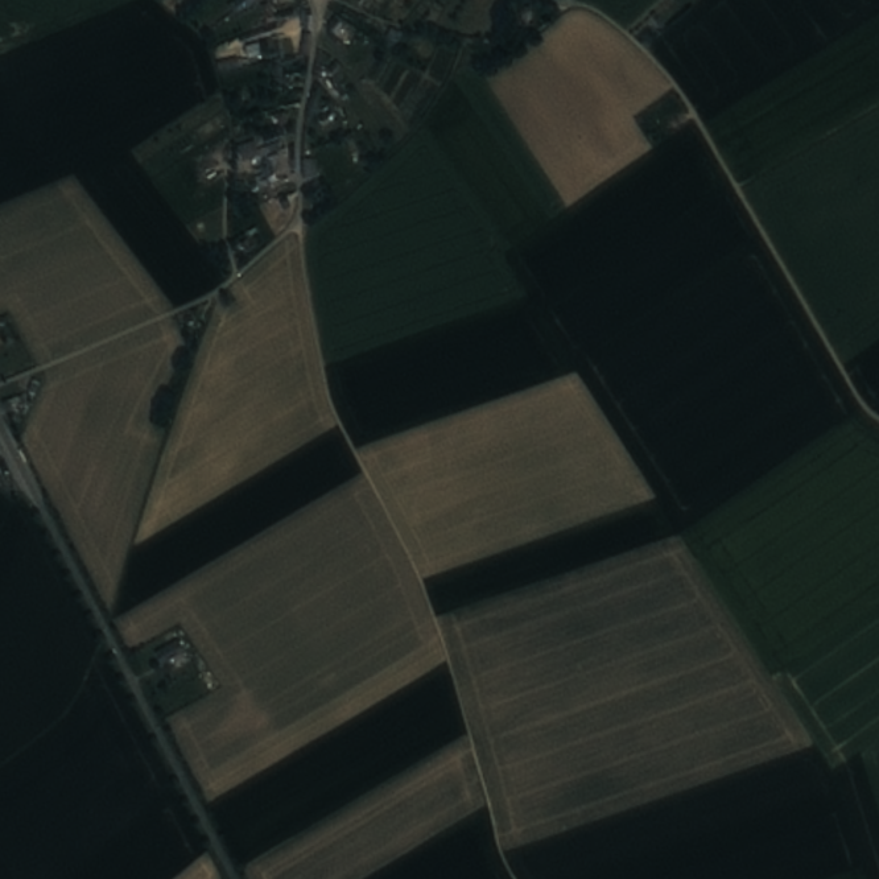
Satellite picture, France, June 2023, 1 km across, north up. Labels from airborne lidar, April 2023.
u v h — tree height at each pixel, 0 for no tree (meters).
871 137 0
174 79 0
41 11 0
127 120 0
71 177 0
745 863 0
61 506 0
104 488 0
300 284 0
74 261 0
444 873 0
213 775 0
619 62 0
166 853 0
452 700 0
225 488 0
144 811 0
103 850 0
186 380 0
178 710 0
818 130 0
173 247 0
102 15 0
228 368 0
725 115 0
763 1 0
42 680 0
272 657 0
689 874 0
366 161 11
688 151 0
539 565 0
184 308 0
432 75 0
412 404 0
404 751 0
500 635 0
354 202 0
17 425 11
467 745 0
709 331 0
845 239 0
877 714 0
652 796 0
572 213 0
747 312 0
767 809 0
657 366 0
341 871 0
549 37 0
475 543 0
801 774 0
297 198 0
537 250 0
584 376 0
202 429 0
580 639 0
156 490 0
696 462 0
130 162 0
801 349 0
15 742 0
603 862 0
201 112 0
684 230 0
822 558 0
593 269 0
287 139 0
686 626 0
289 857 0
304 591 0
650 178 0
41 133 0
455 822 0
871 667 0
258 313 0
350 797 0
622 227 0
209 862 0
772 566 0
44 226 0
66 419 0
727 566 0
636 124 0
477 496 0
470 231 0
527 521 0
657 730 0
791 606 0
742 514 0
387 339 0
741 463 0
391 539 0
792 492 0
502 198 0
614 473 0
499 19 25
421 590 0
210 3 13
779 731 0
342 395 0
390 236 0
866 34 0
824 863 0
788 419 0
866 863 0
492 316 0
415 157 0
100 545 0
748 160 0
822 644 0
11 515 0
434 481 0
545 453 0
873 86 0
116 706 0
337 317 0
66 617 0
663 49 0
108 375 0
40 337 0
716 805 0
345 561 0
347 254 0
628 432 0
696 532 0
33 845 0
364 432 0
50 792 0
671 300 0
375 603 0
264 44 11
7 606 0
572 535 0
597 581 0
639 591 0
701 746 0
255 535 0
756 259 0
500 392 0
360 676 0
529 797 0
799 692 0
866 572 0
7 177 0
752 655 0
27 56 0
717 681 0
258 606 0
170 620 0
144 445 0
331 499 0
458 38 10
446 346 0
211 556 0
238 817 0
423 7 0
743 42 0
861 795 0
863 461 0
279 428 0
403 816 0
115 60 0
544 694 0
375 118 0
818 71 0
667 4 0
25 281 0
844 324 0
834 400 0
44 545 0
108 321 0
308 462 0
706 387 0
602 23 0
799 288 0
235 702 0
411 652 0
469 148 0
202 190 0
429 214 0
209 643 0
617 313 0
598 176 0
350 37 0
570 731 0
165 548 0
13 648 0
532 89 0
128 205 0
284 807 0
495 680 0
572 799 0
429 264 0
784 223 0
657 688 0
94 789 0
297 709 0
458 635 0
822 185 0
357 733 0
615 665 0
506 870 0
